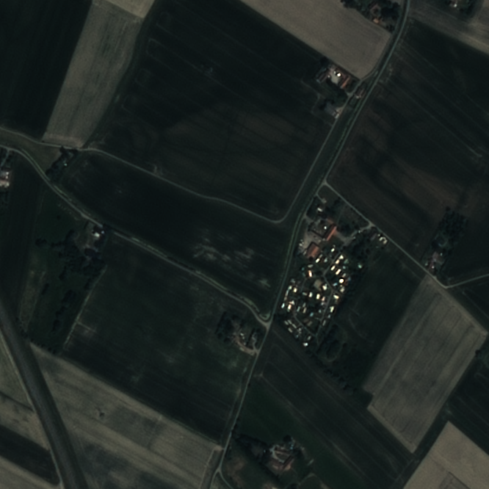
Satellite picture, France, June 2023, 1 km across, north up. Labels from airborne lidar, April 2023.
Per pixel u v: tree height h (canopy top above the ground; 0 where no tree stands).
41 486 0
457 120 0
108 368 0
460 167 0
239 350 0
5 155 7
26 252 0
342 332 0
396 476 0
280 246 0
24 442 0
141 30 0
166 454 0
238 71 0
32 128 0
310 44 0
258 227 0
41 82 0
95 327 0
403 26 0
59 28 0
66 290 0
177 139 0
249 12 0
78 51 0
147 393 0
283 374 0
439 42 0
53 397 0
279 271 0
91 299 0
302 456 15
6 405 0
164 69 0
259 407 0
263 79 0
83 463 0
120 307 0
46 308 0
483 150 0
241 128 0
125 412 0
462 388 0
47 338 0
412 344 0
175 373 0
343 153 0
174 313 0
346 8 0
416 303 0
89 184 0
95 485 0
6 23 0
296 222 0
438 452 0
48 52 0
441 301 0
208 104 0
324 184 0
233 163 0
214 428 0
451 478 0
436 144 0
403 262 0
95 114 0
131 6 0
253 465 0
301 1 0
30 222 0
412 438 0
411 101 0
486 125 0
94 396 0
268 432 0
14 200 0
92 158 0
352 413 0
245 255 0
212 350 0
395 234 0
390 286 0
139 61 0
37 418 0
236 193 0
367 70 0
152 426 0
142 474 0
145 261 0
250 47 0
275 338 0
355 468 0
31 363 0
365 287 0
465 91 0
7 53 0
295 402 0
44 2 0
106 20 0
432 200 0
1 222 0
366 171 0
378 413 0
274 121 0
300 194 0
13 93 0
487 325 0
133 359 0
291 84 0
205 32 0
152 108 0
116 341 0
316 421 0
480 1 0
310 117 0
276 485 0
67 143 0
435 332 0
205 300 0
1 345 0
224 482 0
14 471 0
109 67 0
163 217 0
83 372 0
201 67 0
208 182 0
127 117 0
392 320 0
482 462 0
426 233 0
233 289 0
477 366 0
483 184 0
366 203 0
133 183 0
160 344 0
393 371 0
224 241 0
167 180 0
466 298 0
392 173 0
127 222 0
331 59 0
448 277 0
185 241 0
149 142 0
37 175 0
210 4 0
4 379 0
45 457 0
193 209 0
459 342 0
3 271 0
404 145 0
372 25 0
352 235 0
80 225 0
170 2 0
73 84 0
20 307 0
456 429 0
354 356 0
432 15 0
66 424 0
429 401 0
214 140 0
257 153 0
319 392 0
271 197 0
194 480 0
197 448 0
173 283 0
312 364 0
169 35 0
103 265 13
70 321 0
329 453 0
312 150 0
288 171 0
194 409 0
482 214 0
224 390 0
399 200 0
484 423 0
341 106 0
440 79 0
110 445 0
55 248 9
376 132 0
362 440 0
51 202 0
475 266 0
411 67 0
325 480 0
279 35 0
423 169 0
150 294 0
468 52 0
